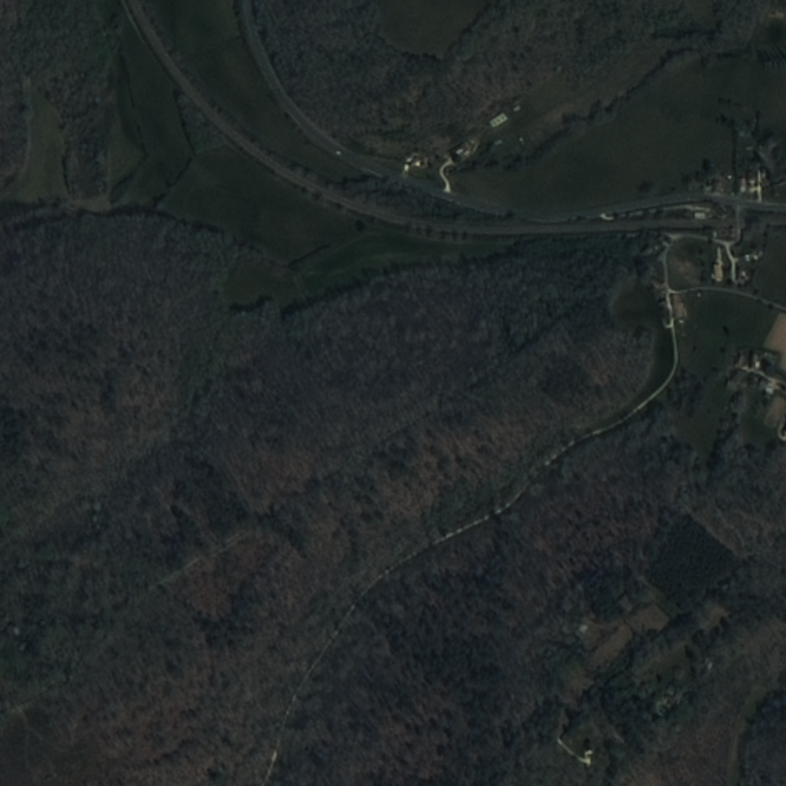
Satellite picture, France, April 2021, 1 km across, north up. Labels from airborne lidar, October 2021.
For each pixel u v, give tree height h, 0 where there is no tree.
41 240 25
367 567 25
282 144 0
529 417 18
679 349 0
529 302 25
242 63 0
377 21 18
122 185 7
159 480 20
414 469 17
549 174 0
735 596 24
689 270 0
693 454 15
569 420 20
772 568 16
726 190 0
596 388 21
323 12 24
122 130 0
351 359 15
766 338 0
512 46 10
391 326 24
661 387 0
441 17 0
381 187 10
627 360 23
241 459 18
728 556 18
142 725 10
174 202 0
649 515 9
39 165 0
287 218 0
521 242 11
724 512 21
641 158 0
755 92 0
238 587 7
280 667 17
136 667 17
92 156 12
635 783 21
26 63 26
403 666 24
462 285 19
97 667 16
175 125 0
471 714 13
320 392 17
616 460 14
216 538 12
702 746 7
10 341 15
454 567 24
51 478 26
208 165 0
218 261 22
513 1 22
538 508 11
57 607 18
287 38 22
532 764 19
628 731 29
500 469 19
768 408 10
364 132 16
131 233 22
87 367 19
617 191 0
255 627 15
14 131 15
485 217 7
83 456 16
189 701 13
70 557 13
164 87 0
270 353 18
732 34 22
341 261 0
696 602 17
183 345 17
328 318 23
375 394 18
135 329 18
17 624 19
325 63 24
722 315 0
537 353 24
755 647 27
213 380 21
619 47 22
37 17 22
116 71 0
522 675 15
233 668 13
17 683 23
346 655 19
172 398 17
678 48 12
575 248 7
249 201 0
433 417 13
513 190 0
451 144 10
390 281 15
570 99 0
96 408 18
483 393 21
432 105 17
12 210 14
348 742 22
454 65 24
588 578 10
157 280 18
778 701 20
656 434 24
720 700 20
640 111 0
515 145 0
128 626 16
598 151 0
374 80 25
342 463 21
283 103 0
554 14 29
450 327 16
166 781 16
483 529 10
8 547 18
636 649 8
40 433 22
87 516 17
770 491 18
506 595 23
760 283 0
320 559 12
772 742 26
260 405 17
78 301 10
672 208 0
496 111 17
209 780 15
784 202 0
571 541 7
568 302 17
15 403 16
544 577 13
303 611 13
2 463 25
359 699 15
